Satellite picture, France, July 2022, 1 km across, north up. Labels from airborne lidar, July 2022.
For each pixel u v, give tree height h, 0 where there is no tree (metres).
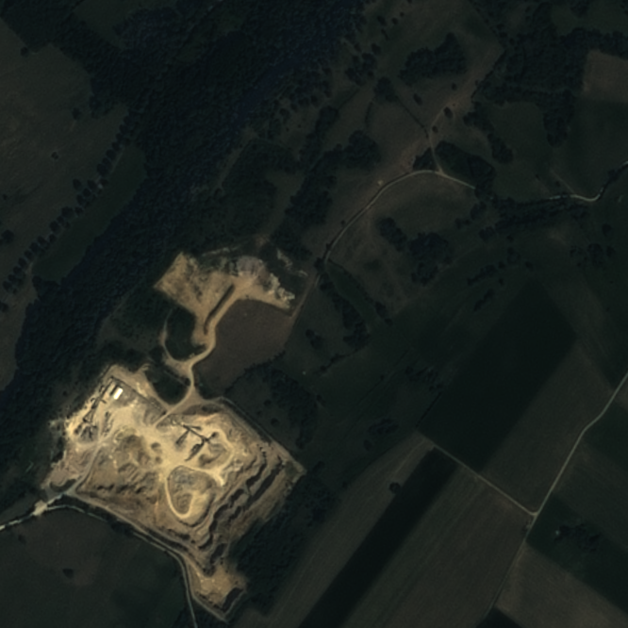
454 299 0
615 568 0
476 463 0
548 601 0
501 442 0
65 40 14
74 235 0
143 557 0
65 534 0
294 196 0
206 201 8
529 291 0
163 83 13
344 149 17
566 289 0
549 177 0
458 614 0
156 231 11
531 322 0
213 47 11
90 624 0
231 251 0
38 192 0
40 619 0
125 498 0
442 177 0
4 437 24
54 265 0
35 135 0
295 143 0
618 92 0
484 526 0
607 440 0
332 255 0
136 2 0
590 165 0
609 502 0
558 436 0
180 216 13
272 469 0
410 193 0
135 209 19
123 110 0
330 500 7
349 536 0
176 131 27
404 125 0
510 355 0
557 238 0
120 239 20
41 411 8
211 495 0
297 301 0
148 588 0
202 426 0
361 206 0
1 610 0
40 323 21
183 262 0
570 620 0
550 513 0
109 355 13
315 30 10
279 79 10
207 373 0
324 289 13
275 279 0
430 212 0
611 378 0
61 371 14
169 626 0
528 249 0
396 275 0
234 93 21
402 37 0
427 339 0
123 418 0
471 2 12
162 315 6
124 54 7
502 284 9
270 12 22
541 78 16
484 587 0
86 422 0
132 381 0
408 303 0
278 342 0
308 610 0
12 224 0
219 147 10
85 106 0
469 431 0
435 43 0
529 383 0
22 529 0
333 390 0
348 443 0
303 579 0
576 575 0
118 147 13
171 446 0
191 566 0
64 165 0
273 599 6
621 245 0
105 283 27
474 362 0
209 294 0
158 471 0
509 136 0
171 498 0
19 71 0
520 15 0
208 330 0
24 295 0
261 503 0
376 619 0
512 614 0
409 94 0
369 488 0
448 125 0
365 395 0
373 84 0
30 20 17
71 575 12
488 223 0
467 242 0
